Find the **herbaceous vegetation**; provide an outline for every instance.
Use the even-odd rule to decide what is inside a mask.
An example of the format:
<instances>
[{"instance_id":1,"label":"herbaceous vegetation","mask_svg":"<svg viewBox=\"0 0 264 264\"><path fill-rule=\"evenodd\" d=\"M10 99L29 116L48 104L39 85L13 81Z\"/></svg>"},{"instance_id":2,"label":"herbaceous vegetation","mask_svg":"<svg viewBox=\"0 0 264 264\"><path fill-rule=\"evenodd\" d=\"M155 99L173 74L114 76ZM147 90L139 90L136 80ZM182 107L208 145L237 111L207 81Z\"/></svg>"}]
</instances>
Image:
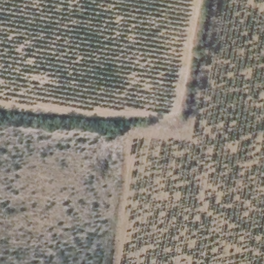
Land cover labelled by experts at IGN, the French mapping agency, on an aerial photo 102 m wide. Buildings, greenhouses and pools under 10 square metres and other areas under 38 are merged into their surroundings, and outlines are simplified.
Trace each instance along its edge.
<instances>
[{"instance_id":1,"label":"herbaceous vegetation","mask_svg":"<svg viewBox=\"0 0 264 264\"><path fill-rule=\"evenodd\" d=\"M52 132L40 128L0 125L0 146L7 148L12 155L20 150L28 155L27 140L33 141L33 137L51 135L56 139L72 140L68 150L58 148L51 157L42 158L33 152L28 164L8 173L8 178L14 181L13 188L19 191L18 195L10 193L5 186L0 186L0 264L45 264L49 256L45 255L47 247L44 242L56 244L61 241L74 246L74 238L87 237L90 232L98 229L95 221L111 219L117 225L124 193L126 162L125 153L117 155L115 160L111 159L108 162L108 170L105 177L102 177L100 172L93 171L89 165L96 164L97 158L105 159L112 155L108 148L101 148L102 143L106 141L104 135L79 129Z\"/></svg>"}]
</instances>

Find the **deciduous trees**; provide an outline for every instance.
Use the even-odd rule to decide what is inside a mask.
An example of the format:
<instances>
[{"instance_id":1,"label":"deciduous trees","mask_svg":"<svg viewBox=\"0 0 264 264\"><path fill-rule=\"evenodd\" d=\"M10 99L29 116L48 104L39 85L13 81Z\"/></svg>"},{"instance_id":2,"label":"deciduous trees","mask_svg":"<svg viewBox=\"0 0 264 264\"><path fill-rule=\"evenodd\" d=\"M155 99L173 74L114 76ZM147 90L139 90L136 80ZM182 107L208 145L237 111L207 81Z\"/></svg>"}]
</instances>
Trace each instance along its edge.
<instances>
[{"instance_id":1,"label":"deciduous trees","mask_svg":"<svg viewBox=\"0 0 264 264\"><path fill-rule=\"evenodd\" d=\"M137 126L152 126L159 122L155 117L102 118L98 115L87 117L75 112L35 113L0 107L0 125L40 128L52 132L79 129L104 135L106 141L124 135Z\"/></svg>"}]
</instances>

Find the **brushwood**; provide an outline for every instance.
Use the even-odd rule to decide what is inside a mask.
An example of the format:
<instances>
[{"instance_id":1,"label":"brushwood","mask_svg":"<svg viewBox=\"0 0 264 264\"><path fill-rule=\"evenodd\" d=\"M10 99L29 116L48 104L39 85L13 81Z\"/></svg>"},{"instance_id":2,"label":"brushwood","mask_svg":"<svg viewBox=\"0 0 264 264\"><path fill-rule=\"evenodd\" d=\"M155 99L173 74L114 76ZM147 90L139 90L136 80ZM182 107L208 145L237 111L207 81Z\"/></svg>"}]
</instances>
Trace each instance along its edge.
<instances>
[{"instance_id":1,"label":"brushwood","mask_svg":"<svg viewBox=\"0 0 264 264\"><path fill-rule=\"evenodd\" d=\"M197 23L201 29L193 42L193 59L205 56L202 27L205 16L202 7Z\"/></svg>"},{"instance_id":2,"label":"brushwood","mask_svg":"<svg viewBox=\"0 0 264 264\"><path fill-rule=\"evenodd\" d=\"M45 264L113 264L117 225L111 219L95 221L98 229L90 232L87 237L74 238L74 246L61 241L56 244L44 242L47 247L45 255L49 256Z\"/></svg>"},{"instance_id":3,"label":"brushwood","mask_svg":"<svg viewBox=\"0 0 264 264\"><path fill-rule=\"evenodd\" d=\"M18 195L19 191L13 188L14 181L8 178L8 173L28 164L33 152L42 158L51 157L58 148L68 150L72 140L56 139L51 135L33 137L33 141L27 140L28 155L20 150L12 155L7 148L0 146L0 186L5 186L10 193Z\"/></svg>"},{"instance_id":4,"label":"brushwood","mask_svg":"<svg viewBox=\"0 0 264 264\"><path fill-rule=\"evenodd\" d=\"M111 159L115 160L117 155L112 155L105 159L97 158L96 164L89 165L93 171L100 172L102 177L105 177L108 170L108 162Z\"/></svg>"}]
</instances>

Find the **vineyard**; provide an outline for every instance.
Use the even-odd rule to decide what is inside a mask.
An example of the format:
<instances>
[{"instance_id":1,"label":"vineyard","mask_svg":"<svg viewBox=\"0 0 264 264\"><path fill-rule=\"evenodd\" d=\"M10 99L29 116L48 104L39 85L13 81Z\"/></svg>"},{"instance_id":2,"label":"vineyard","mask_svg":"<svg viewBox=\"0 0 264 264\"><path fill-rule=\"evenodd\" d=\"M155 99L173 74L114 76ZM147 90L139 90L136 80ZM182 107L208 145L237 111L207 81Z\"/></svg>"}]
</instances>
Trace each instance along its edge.
<instances>
[{"instance_id":1,"label":"vineyard","mask_svg":"<svg viewBox=\"0 0 264 264\"><path fill-rule=\"evenodd\" d=\"M264 0L204 0L202 7L205 16L202 27L205 56L193 59L191 81L187 84L187 100L183 103L183 118L196 118L193 137L197 138L198 143L174 138L165 141L152 138L151 144L145 145L143 138L133 139L131 154L136 158L130 189L135 191L135 195L129 196L128 200L137 200L138 206L131 211L129 220L143 216L146 212L154 212L154 216L148 217L146 223L136 222L133 225L140 227L140 231L134 233L131 241L124 245L121 264L264 264Z\"/></svg>"},{"instance_id":2,"label":"vineyard","mask_svg":"<svg viewBox=\"0 0 264 264\"><path fill-rule=\"evenodd\" d=\"M187 37L186 30L178 27L189 27L192 0L0 0L0 100L9 101L16 97L19 101L15 102L27 105L43 102L86 110L93 110L98 106L123 110L128 106L155 112L170 112L172 98L175 98L173 82L177 81L178 70L181 67L181 52Z\"/></svg>"}]
</instances>

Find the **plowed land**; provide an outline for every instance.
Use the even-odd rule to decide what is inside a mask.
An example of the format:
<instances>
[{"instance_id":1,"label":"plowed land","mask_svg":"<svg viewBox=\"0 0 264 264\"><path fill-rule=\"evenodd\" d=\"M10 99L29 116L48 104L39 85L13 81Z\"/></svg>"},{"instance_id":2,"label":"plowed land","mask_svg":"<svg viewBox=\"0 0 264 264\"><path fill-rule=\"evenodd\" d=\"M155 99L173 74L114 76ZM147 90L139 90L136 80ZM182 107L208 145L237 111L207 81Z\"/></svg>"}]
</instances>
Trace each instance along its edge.
<instances>
[{"instance_id":1,"label":"plowed land","mask_svg":"<svg viewBox=\"0 0 264 264\"><path fill-rule=\"evenodd\" d=\"M170 112L155 112L128 106L123 110L98 106L93 110L86 110L43 102L27 105L15 102L19 101L16 97L9 101L0 100L0 107L35 113L75 112L87 117L98 115L102 118L155 117L159 122L152 126L137 126L124 135L106 141L102 143L101 148L108 148L112 155L117 155L125 153L126 162L124 193L117 225L113 264L121 264L124 245L131 241L134 233L140 231L140 227L133 225L136 222L146 223L148 217L154 216L154 212L146 212L143 216L129 220L131 211L138 206L137 200L128 200L129 196L135 195L135 191L130 189L136 158L131 154L133 139L143 138L145 145L151 144L152 138L165 141L174 138L198 143L197 138L193 137L196 118L183 118L183 103L187 100L187 84L191 81L193 59L193 42L201 29L197 23L202 7L204 0L192 0L189 27L178 27L186 30L187 37L181 52L181 67L178 70L177 81L173 82L175 98L172 98Z\"/></svg>"}]
</instances>

